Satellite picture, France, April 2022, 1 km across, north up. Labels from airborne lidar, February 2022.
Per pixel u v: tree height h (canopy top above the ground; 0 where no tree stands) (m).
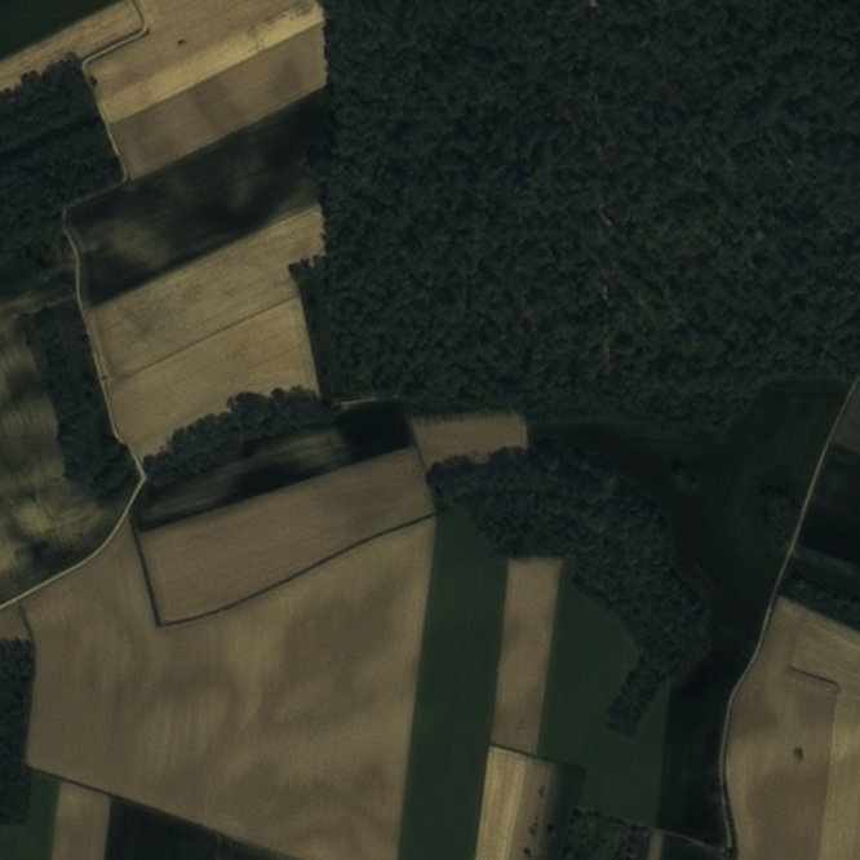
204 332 0
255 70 0
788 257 18
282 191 0
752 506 0
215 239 0
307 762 0
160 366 0
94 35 0
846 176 32
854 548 0
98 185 23
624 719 20
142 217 0
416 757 0
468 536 0
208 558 0
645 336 32
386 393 28
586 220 31
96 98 18
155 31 0
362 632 0
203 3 0
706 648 21
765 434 0
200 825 0
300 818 0
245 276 0
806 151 33
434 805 0
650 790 0
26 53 0
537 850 0
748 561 0
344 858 0
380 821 0
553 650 0
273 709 0
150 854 0
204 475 0
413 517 0
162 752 0
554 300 35
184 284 0
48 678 0
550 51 38
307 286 0
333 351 0
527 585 0
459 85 33
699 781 0
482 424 0
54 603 0
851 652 0
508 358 35
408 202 31
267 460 0
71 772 0
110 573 0
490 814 0
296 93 0
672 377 29
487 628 0
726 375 29
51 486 0
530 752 0
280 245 0
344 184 32
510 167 30
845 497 0
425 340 30
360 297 8
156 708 0
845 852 0
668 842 0
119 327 0
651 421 23
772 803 0
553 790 0
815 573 0
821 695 0
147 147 0
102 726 0
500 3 42
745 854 0
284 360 0
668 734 0
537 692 0
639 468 0
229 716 0
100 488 15
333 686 0
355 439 0
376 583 0
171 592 0
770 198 7
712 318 30
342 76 28
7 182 26
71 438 19
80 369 0
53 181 23
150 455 0
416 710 0
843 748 0
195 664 0
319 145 0
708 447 0
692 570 0
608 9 29
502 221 34
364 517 0
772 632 0
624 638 0
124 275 0
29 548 0
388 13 39
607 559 31
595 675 0
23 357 0
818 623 0
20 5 0
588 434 0
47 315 12
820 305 30
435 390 29
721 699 0
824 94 32
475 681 0
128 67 0
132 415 0
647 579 31
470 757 0
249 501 0
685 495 0
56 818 0
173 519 0
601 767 0
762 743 0
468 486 26
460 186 34
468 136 30
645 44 29
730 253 8
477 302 33
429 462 0
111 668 0
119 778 0
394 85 33
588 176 33
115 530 0
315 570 0
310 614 0
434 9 40
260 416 30
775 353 29
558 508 30
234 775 0
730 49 22
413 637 0
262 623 0
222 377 0
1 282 0
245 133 0
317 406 18
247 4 0
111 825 0
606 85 33
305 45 0
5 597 0
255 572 0
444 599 0
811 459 0
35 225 29
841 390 0
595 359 36
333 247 25
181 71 0
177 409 0
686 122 30
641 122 33
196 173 0
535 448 0
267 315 0
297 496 0
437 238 33
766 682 0
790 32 30
